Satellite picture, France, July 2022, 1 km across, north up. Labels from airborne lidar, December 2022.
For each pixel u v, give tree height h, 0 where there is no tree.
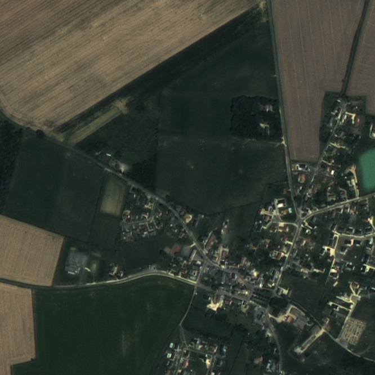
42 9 0
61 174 0
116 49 0
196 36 0
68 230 0
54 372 0
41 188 0
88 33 0
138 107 8
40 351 0
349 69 0
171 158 0
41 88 0
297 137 0
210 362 0
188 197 0
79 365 0
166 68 0
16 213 0
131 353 0
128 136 0
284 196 0
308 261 9
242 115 21
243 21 0
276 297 7
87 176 0
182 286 0
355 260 0
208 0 0
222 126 0
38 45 0
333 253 0
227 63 0
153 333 0
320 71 0
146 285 0
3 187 19
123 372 0
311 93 0
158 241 0
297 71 0
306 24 0
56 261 0
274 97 0
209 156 0
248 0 0
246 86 0
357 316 0
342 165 6
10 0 0
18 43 0
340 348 0
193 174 0
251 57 0
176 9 0
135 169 6
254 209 0
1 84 0
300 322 0
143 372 0
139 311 0
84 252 0
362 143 0
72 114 0
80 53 0
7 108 0
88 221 0
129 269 0
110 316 0
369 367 7
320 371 0
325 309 0
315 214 0
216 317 11
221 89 0
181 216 9
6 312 0
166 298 0
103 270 0
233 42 0
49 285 0
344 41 0
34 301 0
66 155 0
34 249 0
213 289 13
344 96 8
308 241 0
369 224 0
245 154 0
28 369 0
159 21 0
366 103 0
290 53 0
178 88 0
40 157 0
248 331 8
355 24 0
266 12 0
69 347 0
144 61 0
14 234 0
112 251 0
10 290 0
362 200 0
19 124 0
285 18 0
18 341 0
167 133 0
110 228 0
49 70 0
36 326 0
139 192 10
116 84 0
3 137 7
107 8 0
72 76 0
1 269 0
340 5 0
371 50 0
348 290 0
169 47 0
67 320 0
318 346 0
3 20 0
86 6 0
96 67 0
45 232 0
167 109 0
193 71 0
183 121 0
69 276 0
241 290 0
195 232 0
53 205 0
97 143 8
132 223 0
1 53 0
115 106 0
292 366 0
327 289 0
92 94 0
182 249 0
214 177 0
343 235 0
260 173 0
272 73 0
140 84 0
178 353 0
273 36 0
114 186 0
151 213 0
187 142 0
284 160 0
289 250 0
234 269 5
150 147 0
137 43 0
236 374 0
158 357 0
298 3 0
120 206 0
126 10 0
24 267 0
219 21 0
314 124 0
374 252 0
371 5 0
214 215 6
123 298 0
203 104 0
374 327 0
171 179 0
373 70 0
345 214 8
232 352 0
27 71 0
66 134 0
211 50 0
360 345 0
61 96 0
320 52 0
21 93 0
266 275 8
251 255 12
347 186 8
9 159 9
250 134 19
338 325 0
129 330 0
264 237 8
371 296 0
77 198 0
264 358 11
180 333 0
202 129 0
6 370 0
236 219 0
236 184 0
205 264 0
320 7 0
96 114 0
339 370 0
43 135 15
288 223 0
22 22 0
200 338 0
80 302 0
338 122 0
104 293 0
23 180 0
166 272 0
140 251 0
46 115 0
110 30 0
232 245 0
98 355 0
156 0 0
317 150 0
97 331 0
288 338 0
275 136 17
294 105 0
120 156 7
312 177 0
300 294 0
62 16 0
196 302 0
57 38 0
